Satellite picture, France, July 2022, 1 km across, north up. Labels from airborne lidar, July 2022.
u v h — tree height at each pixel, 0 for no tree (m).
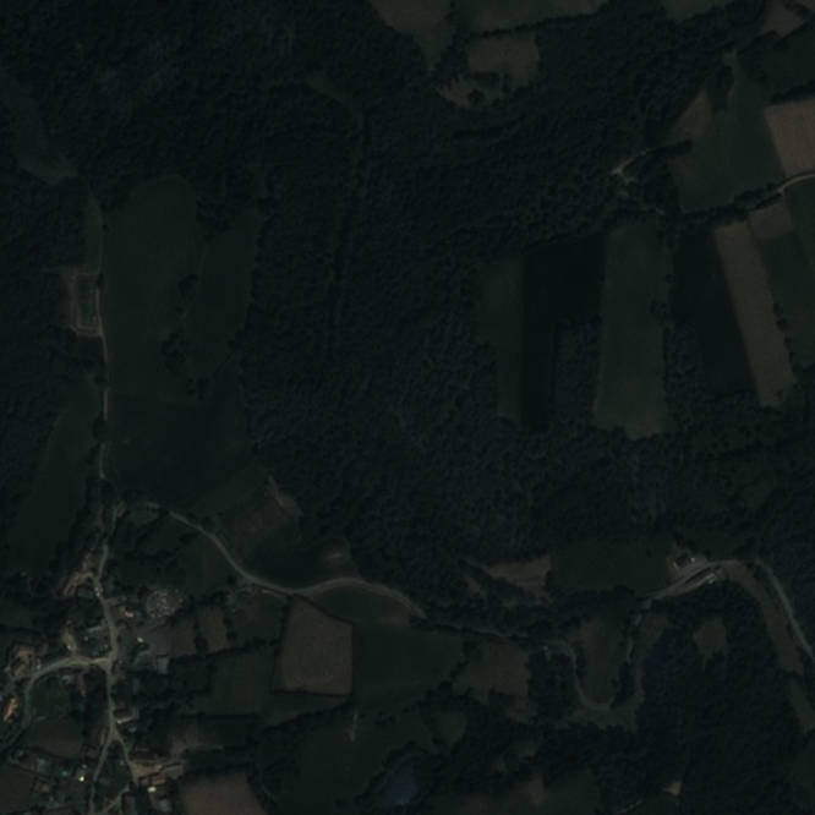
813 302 0
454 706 11
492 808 0
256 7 18
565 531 19
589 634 0
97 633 0
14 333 27
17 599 16
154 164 18
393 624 0
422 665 0
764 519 16
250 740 9
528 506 7
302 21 16
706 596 9
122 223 0
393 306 21
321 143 20
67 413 0
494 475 19
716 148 0
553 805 0
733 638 17
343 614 0
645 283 0
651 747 27
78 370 25
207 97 27
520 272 0
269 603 0
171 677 14
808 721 0
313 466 34
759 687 27
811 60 0
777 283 0
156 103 28
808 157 0
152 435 0
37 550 0
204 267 0
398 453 17
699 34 15
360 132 20
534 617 22
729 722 23
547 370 0
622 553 0
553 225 14
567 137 19
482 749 16
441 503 9
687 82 12
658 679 29
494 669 0
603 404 0
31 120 0
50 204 25
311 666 0
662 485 17
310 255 19
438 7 0
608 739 11
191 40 16
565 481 8
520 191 16
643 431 0
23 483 21
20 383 25
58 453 0
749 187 0
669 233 15
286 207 21
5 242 26
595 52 19
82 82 22
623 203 10
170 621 9
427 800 9
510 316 0
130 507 16
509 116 9
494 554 10
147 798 9
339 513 25
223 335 0
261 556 0
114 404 0
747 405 14
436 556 29
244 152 22
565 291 0
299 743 7
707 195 0
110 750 8
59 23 27
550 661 24
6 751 9
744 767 26
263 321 23
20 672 0
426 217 18
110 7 20
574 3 0
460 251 14
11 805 0
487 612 28
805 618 19
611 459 15
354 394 16
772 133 0
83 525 17
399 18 0
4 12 22
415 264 17
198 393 16
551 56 22
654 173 18
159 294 0
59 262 20
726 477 9
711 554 14
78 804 0
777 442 7
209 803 0
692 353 12
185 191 0
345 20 21
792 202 0
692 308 0
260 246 15
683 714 23
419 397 18
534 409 0
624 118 12
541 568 0
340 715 10
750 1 20
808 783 0
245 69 20
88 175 19
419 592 12
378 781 13
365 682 0
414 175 18
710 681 18
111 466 0
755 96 0
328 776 0
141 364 0
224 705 0
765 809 22
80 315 0
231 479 0
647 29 23
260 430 28
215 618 0
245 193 13
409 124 18
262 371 22
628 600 16
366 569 19
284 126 9
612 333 0
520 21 0
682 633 22
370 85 19
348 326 23
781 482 11
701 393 7
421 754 8
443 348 15
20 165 12
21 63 9
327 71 7
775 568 11
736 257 0
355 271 18
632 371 0
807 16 16
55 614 11
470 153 21
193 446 0
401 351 13
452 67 12
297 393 26
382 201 12
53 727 0
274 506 0
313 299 23
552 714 26
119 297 0
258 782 17
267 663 0
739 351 0
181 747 0
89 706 12
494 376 20
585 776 0
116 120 23
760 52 6
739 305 0
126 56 23
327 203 25
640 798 11
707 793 20
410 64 30
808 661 18
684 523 20
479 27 0
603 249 0
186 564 0
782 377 0
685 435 12
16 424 28
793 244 0
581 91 17
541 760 12
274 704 0
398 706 0
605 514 17
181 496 0
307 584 0
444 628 11
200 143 20
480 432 20
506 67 0
